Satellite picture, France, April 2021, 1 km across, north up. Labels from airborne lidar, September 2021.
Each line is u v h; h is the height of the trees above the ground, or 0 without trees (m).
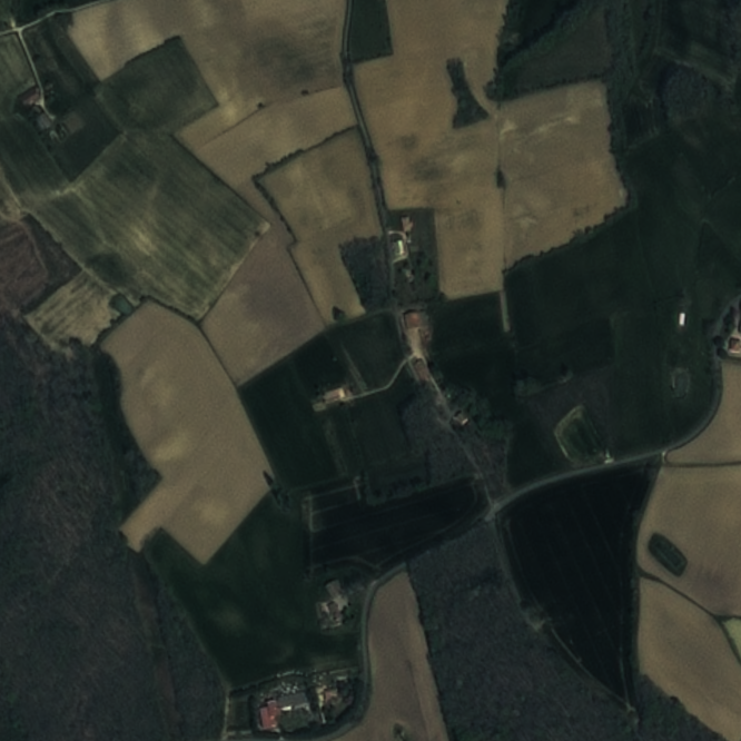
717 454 0
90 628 20
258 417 0
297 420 0
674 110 21
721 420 0
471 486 0
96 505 17
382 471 0
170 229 0
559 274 0
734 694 0
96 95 0
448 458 18
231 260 0
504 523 0
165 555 0
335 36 0
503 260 0
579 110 0
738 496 0
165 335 0
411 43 0
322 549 0
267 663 0
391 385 0
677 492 0
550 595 0
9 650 18
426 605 19
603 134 0
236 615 0
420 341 0
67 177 0
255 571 0
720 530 0
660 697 22
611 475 0
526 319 0
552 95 0
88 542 19
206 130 0
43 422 22
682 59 0
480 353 0
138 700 20
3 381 20
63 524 14
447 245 0
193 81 0
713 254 0
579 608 0
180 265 0
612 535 0
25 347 24
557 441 0
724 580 0
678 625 0
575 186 0
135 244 0
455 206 0
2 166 0
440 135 0
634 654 11
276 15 0
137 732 18
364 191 0
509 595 19
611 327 0
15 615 20
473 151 0
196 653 24
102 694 15
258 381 0
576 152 0
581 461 0
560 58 0
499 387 0
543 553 0
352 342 0
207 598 0
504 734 24
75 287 0
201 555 0
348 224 0
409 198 0
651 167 0
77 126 0
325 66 0
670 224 0
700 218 0
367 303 14
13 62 0
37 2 0
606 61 0
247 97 0
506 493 7
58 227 0
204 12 0
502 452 10
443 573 21
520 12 12
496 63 0
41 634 12
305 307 0
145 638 15
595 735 17
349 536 0
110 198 0
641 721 9
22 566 21
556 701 21
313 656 0
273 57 0
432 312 0
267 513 0
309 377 0
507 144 0
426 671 0
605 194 0
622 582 0
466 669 23
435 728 0
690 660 0
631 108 0
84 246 0
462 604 17
